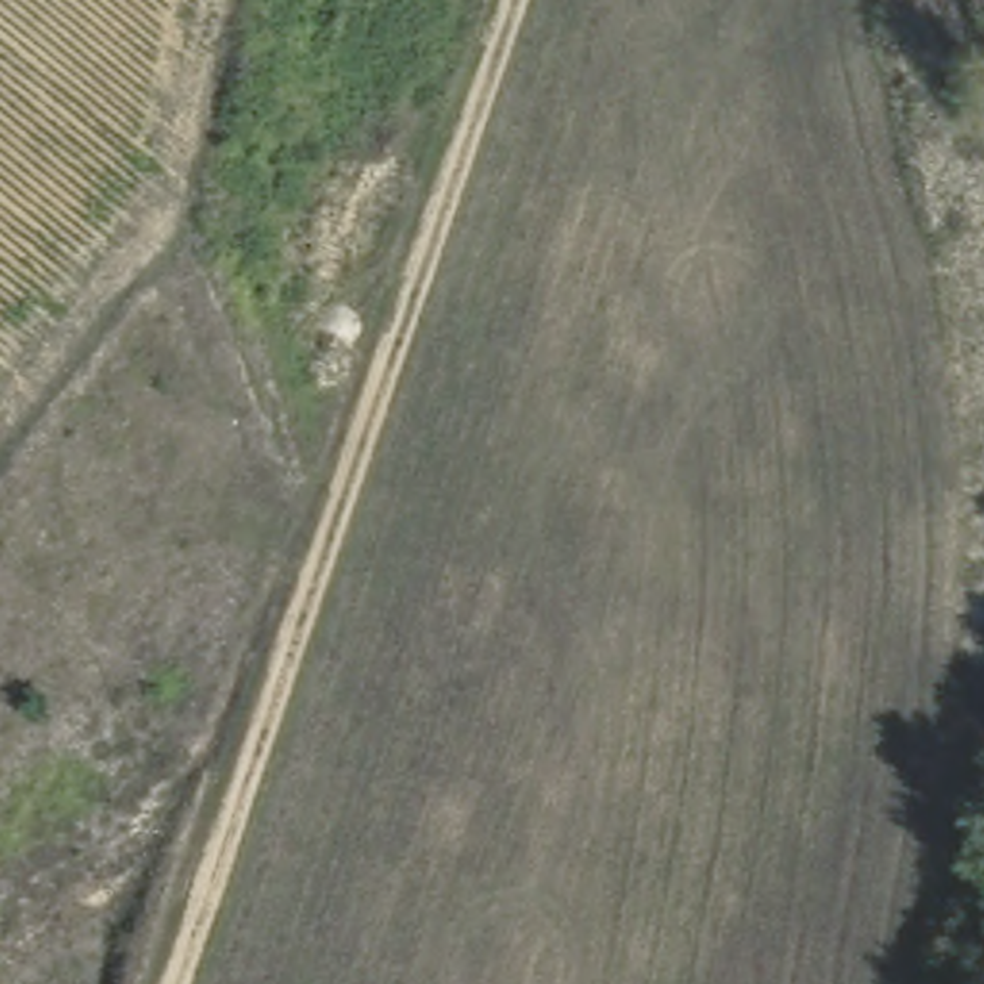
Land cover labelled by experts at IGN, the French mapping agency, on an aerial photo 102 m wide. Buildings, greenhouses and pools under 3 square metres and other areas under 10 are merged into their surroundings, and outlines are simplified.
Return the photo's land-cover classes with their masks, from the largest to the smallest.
<instances>
[{"label":"agricultural land","instance_id":"1","mask_svg":"<svg viewBox=\"0 0 984 984\"><path fill-rule=\"evenodd\" d=\"M903 54L865 50L861 0H530L192 984H961L965 969L949 953H934V938L942 934V923L949 915V899L957 892L972 896L976 884L961 880L953 873V861L934 849L930 826L957 784L984 780V411L957 415L953 377L930 369V346L949 338V315L942 311L938 261H926L923 242L915 238L903 215V192L892 173L880 104V85L896 73V62Z\"/></svg>","mask_w":984,"mask_h":984},{"label":"herbaceous vegetation","instance_id":"2","mask_svg":"<svg viewBox=\"0 0 984 984\"><path fill-rule=\"evenodd\" d=\"M450 8L457 12V46L446 69L434 81L419 85L411 104H392L388 119H350L338 131V154L331 169L315 177L311 200L304 204L296 227L284 238V269L277 281L265 284V296H254L242 277L231 281L227 269L200 265V250L208 242L196 227L181 219L165 250L100 308L96 323L65 354L58 373L38 388L35 404L0 438V984H161L192 896L196 869L204 861L254 703L269 673L284 607L296 592L300 565L323 515L350 419L357 411L377 342L392 319L404 265L411 258L450 138L457 131L473 73L480 65L484 35L500 0H450ZM938 0H861L865 50L903 54L896 62V73L880 85V104L892 173L903 192V215L915 238L923 242L926 261H938L942 311L949 315V338L930 346V369L953 377L957 415L984 411V161H965L953 154V135L946 131L949 115L930 104L938 88H949V77L965 62L953 50L949 27L938 15H930Z\"/></svg>","mask_w":984,"mask_h":984},{"label":"vineyard","instance_id":"3","mask_svg":"<svg viewBox=\"0 0 984 984\"><path fill-rule=\"evenodd\" d=\"M231 0H0V438L35 404L38 388L58 373L65 354L96 323L100 308L165 250L181 219L188 208V173L211 111L215 50L223 38Z\"/></svg>","mask_w":984,"mask_h":984},{"label":"brushwood","instance_id":"4","mask_svg":"<svg viewBox=\"0 0 984 984\"><path fill-rule=\"evenodd\" d=\"M457 12L450 8V0H231L223 38L215 50L211 111L188 173V208L181 219L196 227L208 242L200 250V265L227 269L231 281L242 277L254 296H265V284L277 281L284 269V238L296 227L304 204L311 200L315 177L331 169L338 154V131L350 119H388L392 104H411L419 85L434 81L446 69L457 46Z\"/></svg>","mask_w":984,"mask_h":984},{"label":"pervious surface","instance_id":"5","mask_svg":"<svg viewBox=\"0 0 984 984\"><path fill-rule=\"evenodd\" d=\"M530 0H500L484 35L480 65L473 73L457 131L450 138L411 258L404 265L392 319L377 342L357 411L350 419L323 515L300 565L296 592L284 607L269 673L254 703L204 861L196 869L192 896L161 984H192Z\"/></svg>","mask_w":984,"mask_h":984},{"label":"deciduous trees","instance_id":"6","mask_svg":"<svg viewBox=\"0 0 984 984\"><path fill-rule=\"evenodd\" d=\"M930 15H938L949 27L953 50L965 62L949 77V88H938L930 104L949 115L946 131L953 135V154L965 161H984V0H938ZM934 849L953 861V873L961 880L976 884L972 896L957 892L949 899V915L942 923V934L934 938V953H949L965 969L961 984H984V780L957 784L930 826Z\"/></svg>","mask_w":984,"mask_h":984}]
</instances>
